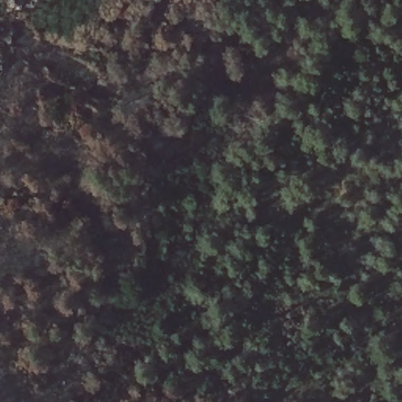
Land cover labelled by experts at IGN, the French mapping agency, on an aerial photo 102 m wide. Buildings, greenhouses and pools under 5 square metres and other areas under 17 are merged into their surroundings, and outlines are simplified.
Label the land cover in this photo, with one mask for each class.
<instances>
[{"label":"coniferous trees","instance_id":"1","mask_svg":"<svg viewBox=\"0 0 402 402\"><path fill-rule=\"evenodd\" d=\"M5 0H0V374L14 372L24 383L27 393L41 394L53 374L49 361L55 356V350L60 345H69L74 341L86 345L90 339L96 344L99 339H104L105 345L115 350L122 344L130 347L148 345V356L135 363V377L129 382V394L121 402H402V0H38L30 22L35 25L39 22L47 33L44 41H35L31 31L22 24V20L9 19Z\"/></svg>","mask_w":402,"mask_h":402},{"label":"bare soil","instance_id":"2","mask_svg":"<svg viewBox=\"0 0 402 402\"><path fill-rule=\"evenodd\" d=\"M9 19L22 20V24L31 31L35 41H44L47 33L39 22L35 25L30 22L38 0H5ZM148 345L130 347L122 344L115 350L105 345L104 339H99L96 344L90 339L86 345L74 341L69 345H60L55 350V356L49 361L53 374L41 394L27 393L24 383L14 372L0 374V402H121L129 394V382L135 377V363L148 356Z\"/></svg>","mask_w":402,"mask_h":402}]
</instances>
